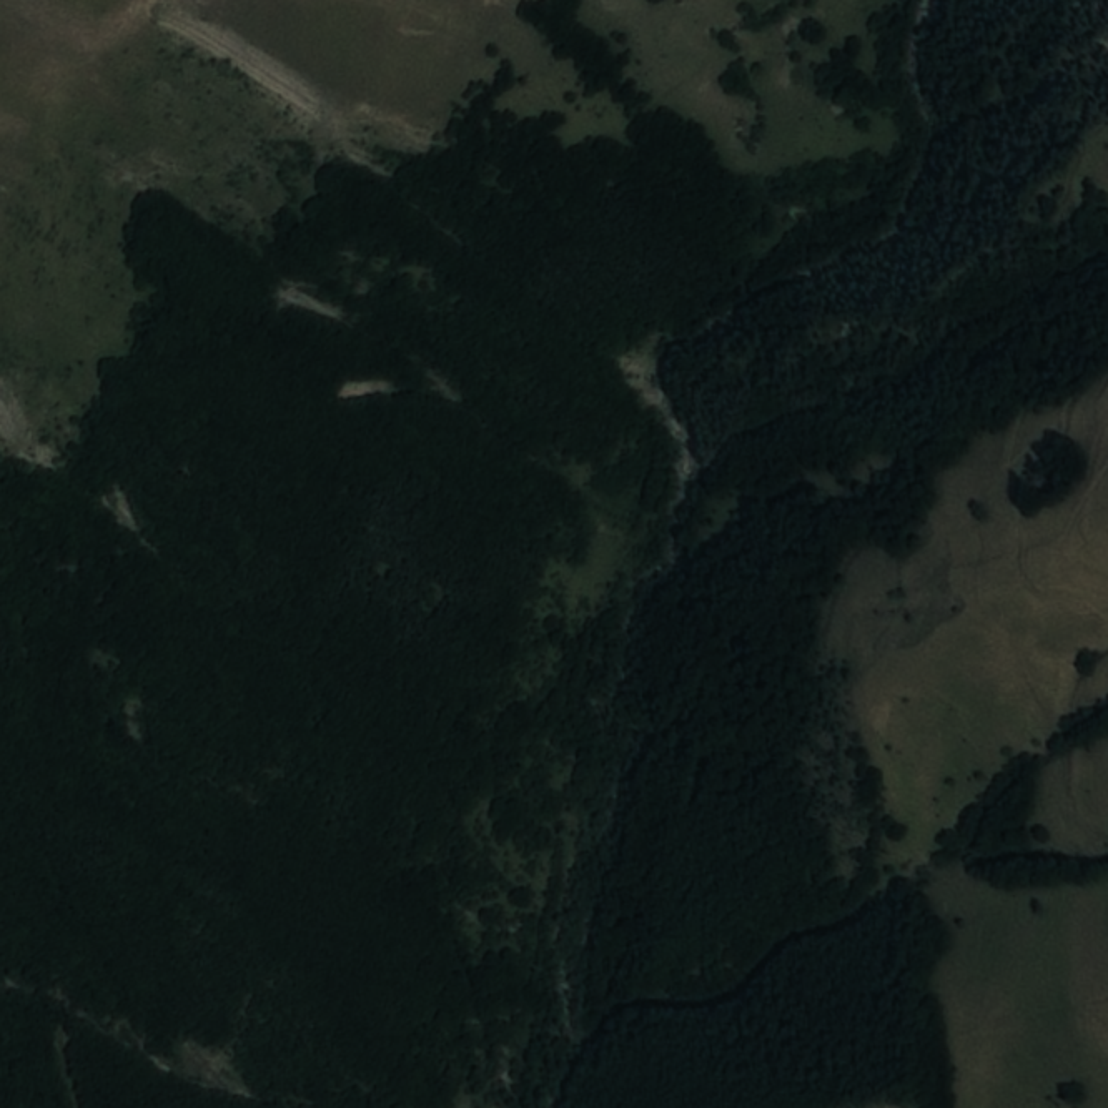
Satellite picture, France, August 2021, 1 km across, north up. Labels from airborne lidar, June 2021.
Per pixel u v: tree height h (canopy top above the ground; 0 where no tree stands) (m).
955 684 0
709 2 0
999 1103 0
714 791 18
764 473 21
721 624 23
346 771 14
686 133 16
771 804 20
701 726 23
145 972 12
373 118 0
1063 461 19
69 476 7
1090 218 25
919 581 0
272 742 12
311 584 19
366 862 18
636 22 0
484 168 8
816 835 9
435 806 13
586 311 17
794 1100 19
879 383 22
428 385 7
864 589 0
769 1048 24
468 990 16
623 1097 17
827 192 6
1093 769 0
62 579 13
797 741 8
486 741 12
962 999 0
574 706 9
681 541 25
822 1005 19
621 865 17
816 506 22
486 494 15
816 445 18
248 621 14
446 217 11
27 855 14
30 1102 17
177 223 16
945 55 8
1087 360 8
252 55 0
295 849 18
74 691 19
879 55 6
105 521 15
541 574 14
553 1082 10
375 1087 8
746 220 6
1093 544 0
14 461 9
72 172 0
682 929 14
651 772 21
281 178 11
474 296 13
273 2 0
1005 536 0
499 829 15
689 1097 16
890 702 0
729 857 16
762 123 6
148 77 0
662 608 21
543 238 23
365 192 20
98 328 0
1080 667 14
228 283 18
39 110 0
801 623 17
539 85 0
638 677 15
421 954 13
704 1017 20
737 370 6
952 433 25
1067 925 0
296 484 14
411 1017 15
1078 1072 0
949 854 8
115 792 14
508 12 0
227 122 0
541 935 7
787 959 19
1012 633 0
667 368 19
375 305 10
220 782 12
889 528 16
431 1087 15
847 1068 16
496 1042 14
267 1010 12
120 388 20
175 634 20
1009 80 12
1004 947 0
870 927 19
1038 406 8
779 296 21
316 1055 11
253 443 16
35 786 11
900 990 24
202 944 9
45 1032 17
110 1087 15
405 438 20
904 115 13
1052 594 0
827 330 9
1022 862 18
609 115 0
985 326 17
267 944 12
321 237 14
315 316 14
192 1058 0
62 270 0
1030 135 22
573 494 9
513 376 11
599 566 0
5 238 0
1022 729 0
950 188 17
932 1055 19
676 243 17
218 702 13
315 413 19
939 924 18
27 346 0
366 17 0
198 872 13
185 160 0
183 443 10
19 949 12
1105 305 31
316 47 0
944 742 0
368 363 13
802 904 23
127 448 14
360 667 17
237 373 14
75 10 0
